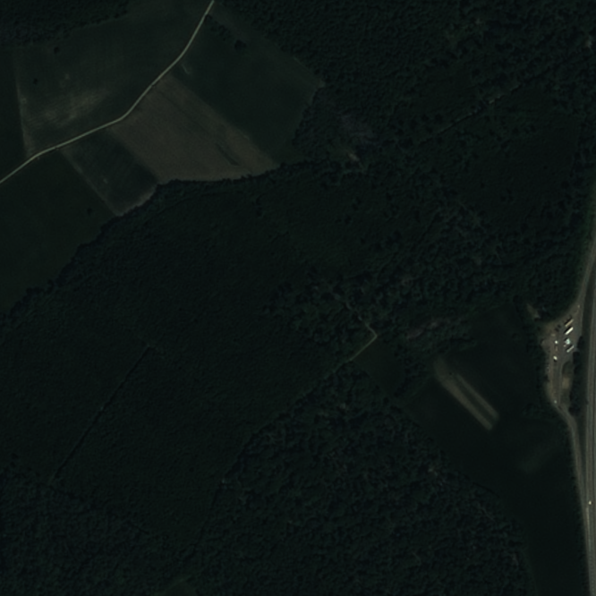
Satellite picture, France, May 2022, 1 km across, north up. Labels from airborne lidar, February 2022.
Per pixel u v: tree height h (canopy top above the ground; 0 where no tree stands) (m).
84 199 0
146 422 13
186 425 16
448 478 21
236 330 17
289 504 25
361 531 24
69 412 11
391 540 22
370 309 21
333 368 18
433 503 25
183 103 0
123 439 15
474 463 0
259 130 0
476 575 24
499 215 8
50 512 22
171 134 0
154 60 0
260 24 19
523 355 0
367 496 28
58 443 11
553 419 6
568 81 22
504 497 0
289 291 29
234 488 23
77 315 10
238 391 18
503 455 0
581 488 0
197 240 11
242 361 16
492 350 0
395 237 27
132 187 0
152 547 22
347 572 21
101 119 0
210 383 18
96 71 0
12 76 0
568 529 0
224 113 0
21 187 0
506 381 0
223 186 11
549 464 0
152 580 22
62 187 0
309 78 0
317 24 24
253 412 19
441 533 25
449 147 8
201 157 0
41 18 18
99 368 10
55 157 0
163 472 15
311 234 10
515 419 0
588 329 0
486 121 21
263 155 0
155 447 15
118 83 0
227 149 0
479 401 0
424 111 6
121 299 14
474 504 23
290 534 22
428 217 6
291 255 10
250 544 25
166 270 15
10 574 28
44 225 0
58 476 12
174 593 0
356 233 9
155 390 15
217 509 22
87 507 21
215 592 24
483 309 9
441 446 0
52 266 0
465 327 9
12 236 0
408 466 29
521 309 17
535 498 0
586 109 22
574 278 9
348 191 11
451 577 24
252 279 12
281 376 20
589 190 7
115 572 27
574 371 7
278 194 10
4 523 19
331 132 12
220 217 9
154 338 13
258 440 27
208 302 16
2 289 0
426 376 7
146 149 0
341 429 29
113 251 13
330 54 21
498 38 27
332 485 26
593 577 0
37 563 28
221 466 17
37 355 10
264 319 16
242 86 0
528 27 31
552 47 27
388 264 9
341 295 29
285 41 19
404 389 14
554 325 0
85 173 0
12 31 22
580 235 9
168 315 16
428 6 26
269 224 11
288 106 0
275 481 26
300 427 28
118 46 0
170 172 0
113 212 0
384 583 20
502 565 24
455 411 0
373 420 25
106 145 0
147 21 0
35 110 0
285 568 25
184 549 15
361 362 0
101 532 28
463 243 12
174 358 13
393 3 25
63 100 0
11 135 0
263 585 25
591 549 0
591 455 0
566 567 0
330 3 24
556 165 9
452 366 0
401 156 20
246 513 27
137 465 15
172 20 0
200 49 0
